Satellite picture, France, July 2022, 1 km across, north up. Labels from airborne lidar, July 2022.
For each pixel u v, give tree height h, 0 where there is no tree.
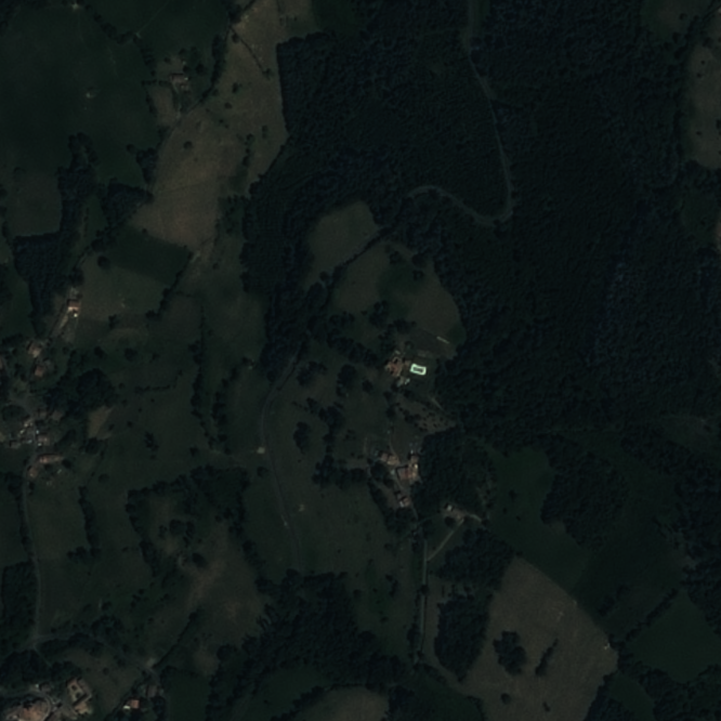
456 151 6
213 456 0
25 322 0
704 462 14
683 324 23
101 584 0
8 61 0
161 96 0
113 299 0
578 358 7
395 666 27
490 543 16
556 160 14
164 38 0
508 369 29
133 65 0
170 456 0
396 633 0
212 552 0
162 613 0
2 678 24
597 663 0
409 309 0
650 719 0
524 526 0
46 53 0
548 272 11
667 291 23
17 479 14
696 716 11
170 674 11
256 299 0
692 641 0
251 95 0
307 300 20
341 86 8
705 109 0
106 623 17
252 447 0
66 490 0
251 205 26
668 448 6
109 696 0
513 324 21
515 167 10
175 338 0
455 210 13
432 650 0
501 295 6
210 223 0
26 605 12
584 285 7
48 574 0
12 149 0
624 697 0
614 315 25
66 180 17
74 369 7
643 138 21
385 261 0
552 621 0
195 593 0
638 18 6
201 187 0
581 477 16
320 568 0
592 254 8
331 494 0
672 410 20
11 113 0
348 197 27
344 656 21
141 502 7
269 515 0
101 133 0
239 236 0
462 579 19
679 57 17
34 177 0
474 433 14
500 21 21
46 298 29
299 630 22
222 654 18
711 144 0
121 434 0
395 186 20
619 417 25
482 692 0
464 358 26
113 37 16
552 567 0
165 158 0
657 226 36
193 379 0
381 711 0
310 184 11
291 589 22
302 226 13
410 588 0
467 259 6
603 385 26
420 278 14
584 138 10
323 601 20
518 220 14
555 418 20
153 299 0
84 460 0
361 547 0
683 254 23
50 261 27
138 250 0
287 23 0
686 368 16
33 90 0
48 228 0
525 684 0
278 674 13
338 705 0
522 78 19
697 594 24
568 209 11
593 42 21
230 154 0
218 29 0
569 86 14
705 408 22
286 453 0
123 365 0
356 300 0
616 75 23
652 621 14
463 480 22
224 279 0
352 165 25
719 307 30
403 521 6
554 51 25
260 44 0
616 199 9
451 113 7
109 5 0
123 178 0
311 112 7
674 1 0
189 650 0
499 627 0
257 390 0
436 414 6
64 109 0
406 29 26
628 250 28
